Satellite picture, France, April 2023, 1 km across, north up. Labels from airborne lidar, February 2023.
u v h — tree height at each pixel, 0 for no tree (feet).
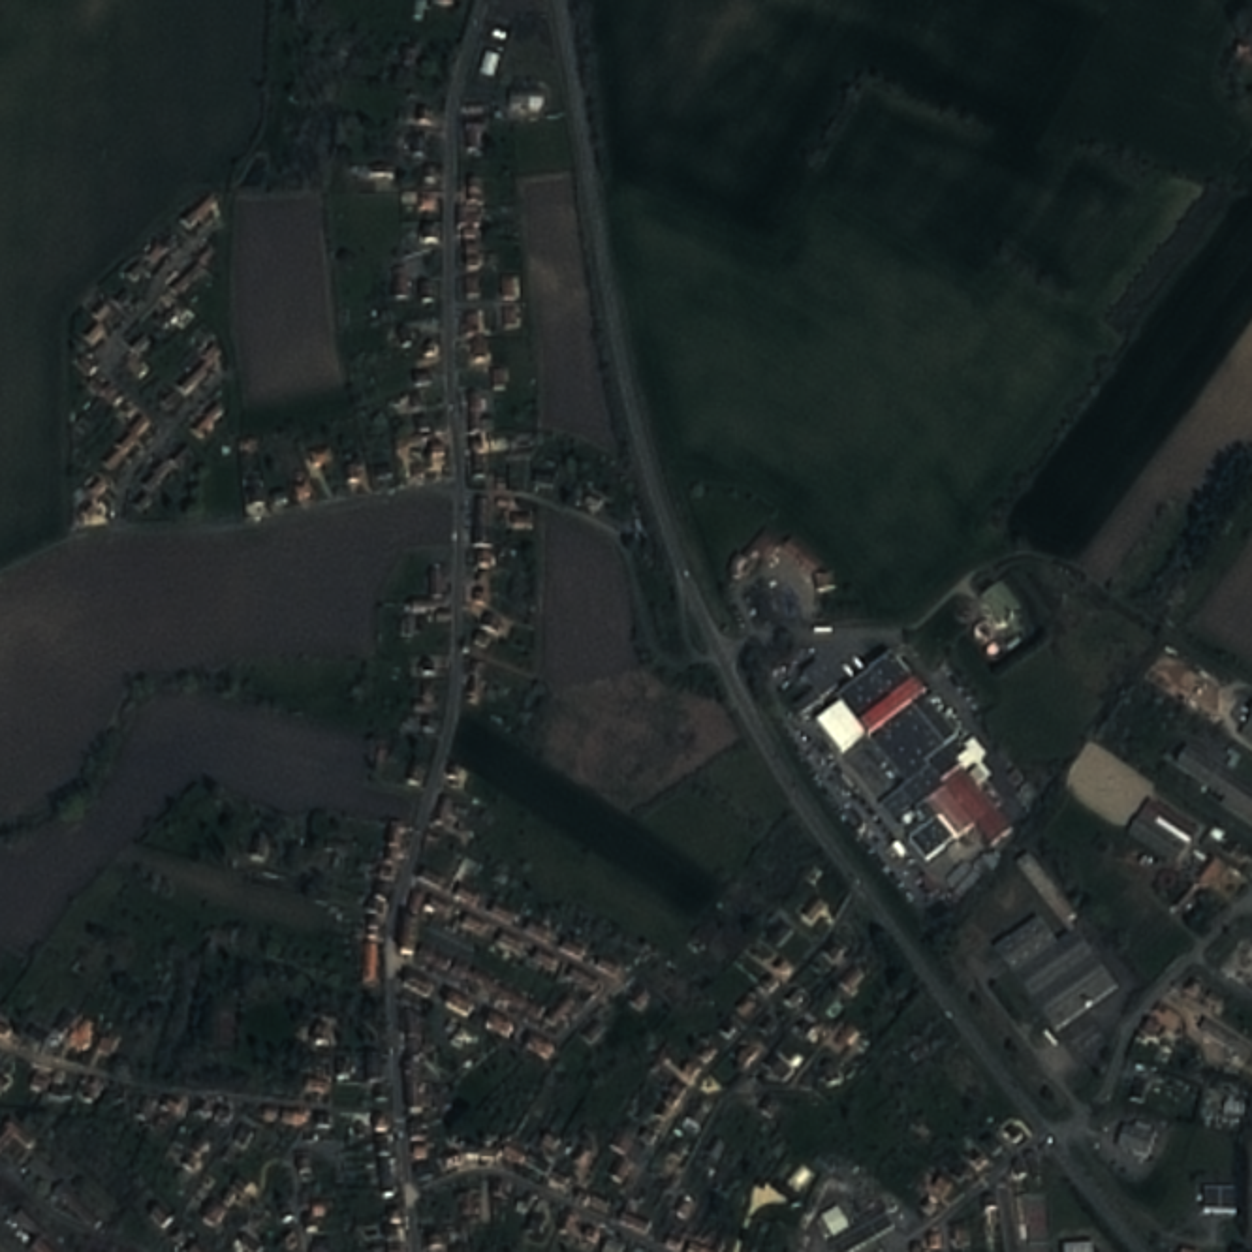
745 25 0
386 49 23
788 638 41
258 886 0
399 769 0
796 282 0
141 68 0
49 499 0
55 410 0
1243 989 0
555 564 0
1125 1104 0
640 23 0
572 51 0
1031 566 0
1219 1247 0
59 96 0
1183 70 0
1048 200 0
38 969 0
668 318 0
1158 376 0
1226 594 0
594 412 0
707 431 0
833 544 0
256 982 64
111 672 0
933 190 0
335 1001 50
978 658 0
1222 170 0
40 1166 0
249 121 0
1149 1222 0
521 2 0
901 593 0
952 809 0
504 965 0
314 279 0
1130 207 0
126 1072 31
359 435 0
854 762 0
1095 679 0
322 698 0
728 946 0
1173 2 0
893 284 0
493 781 0
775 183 0
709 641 0
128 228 0
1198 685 0
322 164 81
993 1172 0
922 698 0
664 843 0
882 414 0
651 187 0
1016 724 0
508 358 0
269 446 0
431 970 17
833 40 0
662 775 0
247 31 0
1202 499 38
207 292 0
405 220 0
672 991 0
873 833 0
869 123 0
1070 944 0
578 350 0
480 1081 0
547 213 0
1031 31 0
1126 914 0
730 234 0
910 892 0
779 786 0
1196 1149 0
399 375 0
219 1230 25
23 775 0
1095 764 0
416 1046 0
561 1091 37
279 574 0
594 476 34
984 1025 0
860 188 0
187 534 0
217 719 0
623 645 0
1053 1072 0
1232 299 0
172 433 0
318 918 0
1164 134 0
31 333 0
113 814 0
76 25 0
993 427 0
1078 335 0
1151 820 0
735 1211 36
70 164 0
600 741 0
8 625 0
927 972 0
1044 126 0
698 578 0
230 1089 60
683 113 0
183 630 0
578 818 0
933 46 0
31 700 0
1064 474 0
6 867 0
